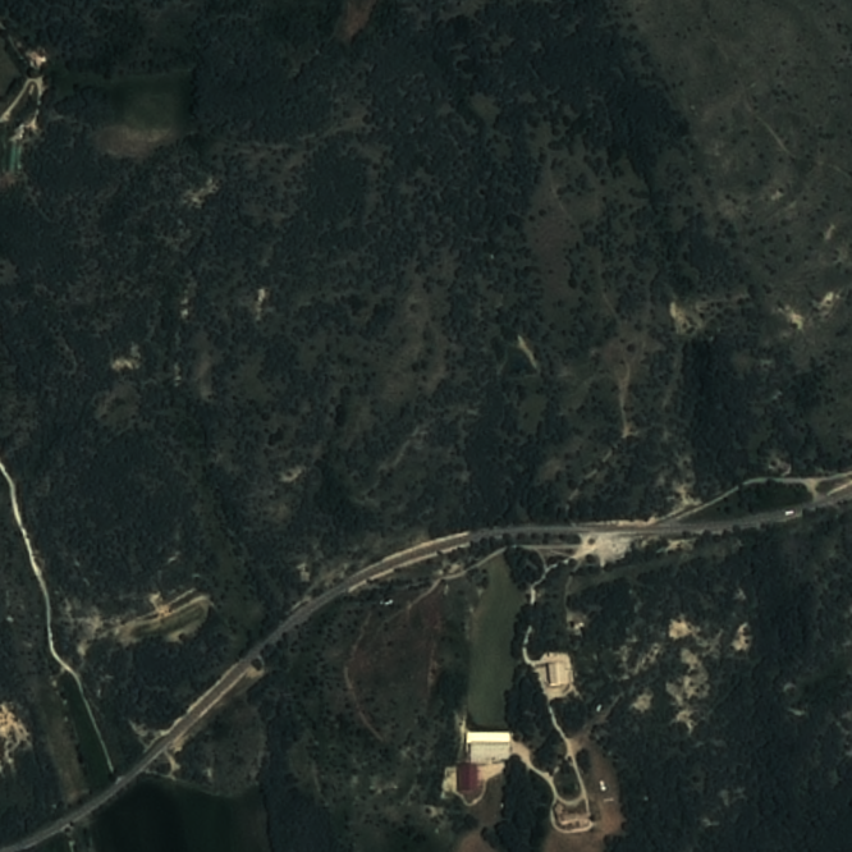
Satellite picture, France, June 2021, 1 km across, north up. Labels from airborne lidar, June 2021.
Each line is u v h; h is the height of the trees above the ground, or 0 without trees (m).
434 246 9
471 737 0
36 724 7
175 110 0
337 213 9
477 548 7
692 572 6
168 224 8
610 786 0
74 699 0
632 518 6
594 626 9
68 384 6
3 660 8
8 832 9
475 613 0
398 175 10
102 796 0
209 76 15
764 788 10
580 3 12
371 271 7
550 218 0
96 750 0
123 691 7
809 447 11
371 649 0
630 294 10
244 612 0
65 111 8
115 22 7
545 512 9
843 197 0
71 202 7
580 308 7
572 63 13
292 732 13
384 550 0
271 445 11
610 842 8
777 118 0
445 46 14
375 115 11
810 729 9
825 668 6
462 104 14
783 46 0
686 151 8
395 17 11
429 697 0
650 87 8
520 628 10
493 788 0
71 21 7
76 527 8
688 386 11
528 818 17
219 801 0
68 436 8
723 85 0
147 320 9
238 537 7
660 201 10
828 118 0
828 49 0
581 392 0
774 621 11
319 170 7
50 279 8
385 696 0
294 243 8
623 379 0
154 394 9
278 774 10
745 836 11
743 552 13
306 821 12
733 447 8
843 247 0
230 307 6
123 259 8
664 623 5
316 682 11
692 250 9
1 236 9
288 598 7
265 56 13
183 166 8
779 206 0
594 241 7
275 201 6
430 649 0
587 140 8
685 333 0
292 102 9
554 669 0
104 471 11
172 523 7
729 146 0
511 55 13
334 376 9
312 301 6
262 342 6
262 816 0
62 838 0
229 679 0
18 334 11
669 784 10
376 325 9
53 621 6
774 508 0
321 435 10
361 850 0
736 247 7
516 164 11
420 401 9
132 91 0
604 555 0
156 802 0
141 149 0
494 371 10
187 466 7
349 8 0
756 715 9
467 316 8
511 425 7
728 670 6
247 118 9
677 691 0
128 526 11
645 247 8
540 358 10
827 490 0
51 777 9
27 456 8
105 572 7
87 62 8
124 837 0
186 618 0
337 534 9
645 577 8
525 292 8
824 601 8
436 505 6
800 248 0
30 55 0
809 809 10
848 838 18
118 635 0
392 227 9
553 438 9
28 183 6
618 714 9
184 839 0
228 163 8
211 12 12
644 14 0
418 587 7
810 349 0
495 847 7
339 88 7
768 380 6
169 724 7
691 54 0
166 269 9
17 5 7
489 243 12
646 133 10
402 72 11
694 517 0
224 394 7
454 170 9
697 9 0
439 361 0
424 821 0
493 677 0
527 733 11
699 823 7
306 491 7
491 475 11
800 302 0
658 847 13
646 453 9
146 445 8
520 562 11
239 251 8
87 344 8
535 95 9
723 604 8
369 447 8
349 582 0
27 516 7
